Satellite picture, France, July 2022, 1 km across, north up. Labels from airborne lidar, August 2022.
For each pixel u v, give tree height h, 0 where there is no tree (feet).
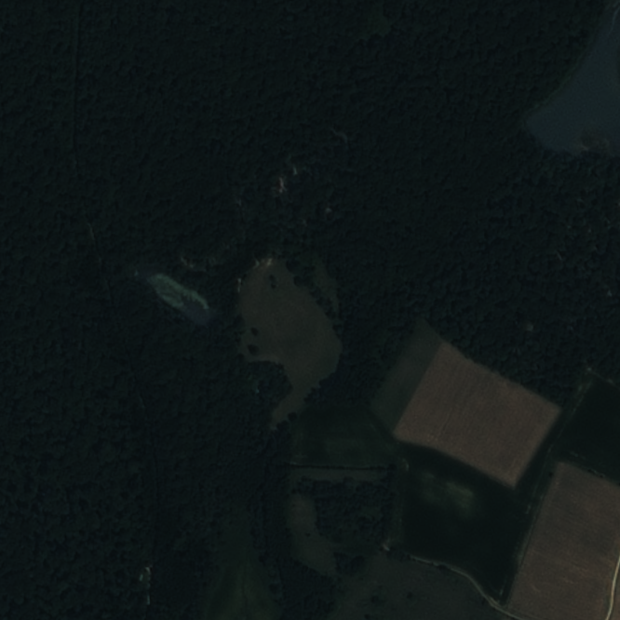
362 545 0
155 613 77
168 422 87
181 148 79
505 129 88
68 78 54
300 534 0
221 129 74
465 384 0
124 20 77
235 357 57
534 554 0
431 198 99
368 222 98
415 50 65
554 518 0
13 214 85
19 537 89
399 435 0
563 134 0
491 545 0
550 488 0
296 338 0
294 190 93
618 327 83
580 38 45
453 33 87
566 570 0
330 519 66
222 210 80
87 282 60
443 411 0
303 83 79
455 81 78
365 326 46
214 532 73
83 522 91
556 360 59
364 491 41
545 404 0
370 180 84
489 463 0
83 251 67
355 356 46
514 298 105
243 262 47
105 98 76
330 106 59
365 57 70
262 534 70
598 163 85
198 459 90
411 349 0
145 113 63
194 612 89
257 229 99
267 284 0
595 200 89
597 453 0
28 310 87
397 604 0
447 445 0
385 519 46
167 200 47
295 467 28
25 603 95
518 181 83
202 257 84
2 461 86
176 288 0
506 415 0
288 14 87
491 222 81
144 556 50
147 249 78
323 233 69
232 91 58
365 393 42
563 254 78
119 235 76
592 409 0
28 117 55
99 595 88
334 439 0
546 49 90
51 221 62
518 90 75
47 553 97
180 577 80
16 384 85
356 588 0
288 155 55
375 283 80
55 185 77
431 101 94
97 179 63
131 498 80
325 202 82
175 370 74
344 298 35
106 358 92
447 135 84
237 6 65
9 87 80
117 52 77
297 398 0
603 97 0
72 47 58
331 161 94
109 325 62
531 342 85
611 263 83
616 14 0
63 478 62
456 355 0
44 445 89
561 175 86
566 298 74
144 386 62
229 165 88
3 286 86
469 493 0
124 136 85
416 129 75
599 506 0
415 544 0
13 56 81
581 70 0
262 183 62
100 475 81
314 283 37
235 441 77
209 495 58
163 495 64
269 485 65
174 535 31
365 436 0
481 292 95
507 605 0
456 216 79
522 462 0
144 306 92
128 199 100
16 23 60
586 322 88
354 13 79
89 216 37
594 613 0
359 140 72
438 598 0
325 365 0
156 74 72
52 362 74
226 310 57
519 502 0
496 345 98
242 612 0
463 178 94
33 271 100
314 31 83
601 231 81
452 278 98
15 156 80
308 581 68
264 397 70
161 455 69
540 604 0
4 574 100
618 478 0
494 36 83
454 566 0
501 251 97
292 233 89
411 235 98
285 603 61
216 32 83
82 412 67
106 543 85
